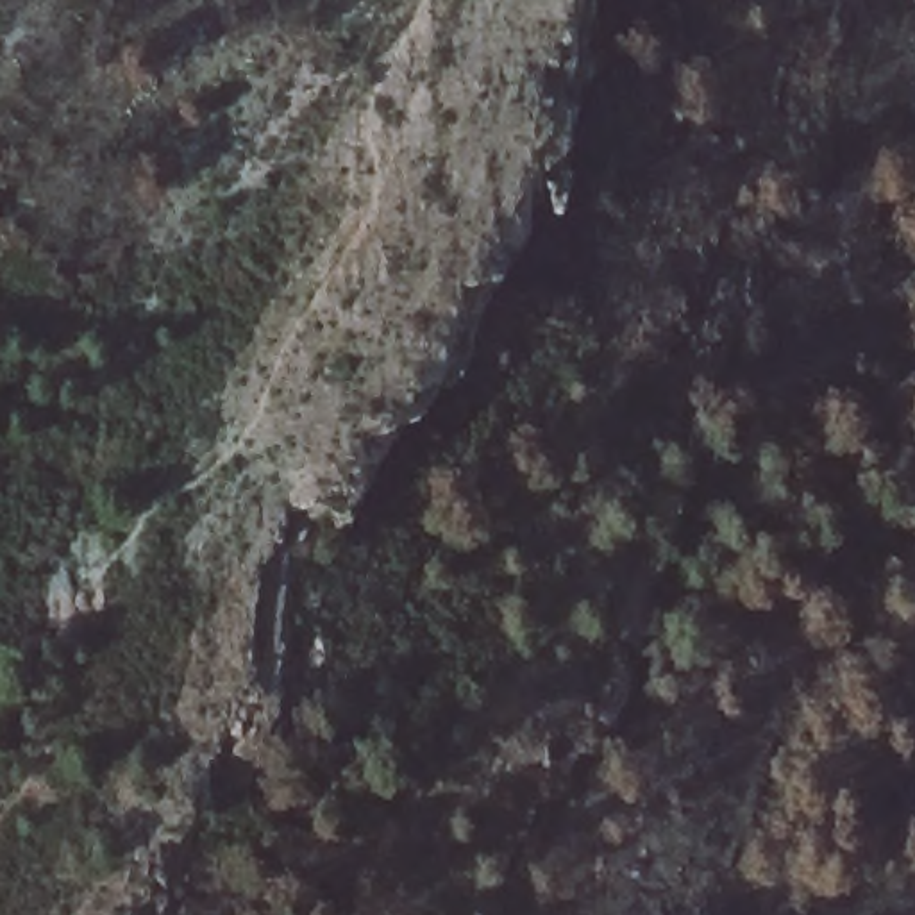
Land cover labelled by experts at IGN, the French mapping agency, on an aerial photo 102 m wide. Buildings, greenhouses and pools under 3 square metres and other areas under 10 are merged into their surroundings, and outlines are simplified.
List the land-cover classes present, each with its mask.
<instances>
[{"label":"bare soil","instance_id":"1","mask_svg":"<svg viewBox=\"0 0 915 915\"><path fill-rule=\"evenodd\" d=\"M454 43H468V54L465 61H454L443 71L440 82L443 104L458 111V122L432 125L429 89H415L404 79L407 71H425L432 61V18L425 0H0V189H14L25 207H36L57 229H71L79 207H97L93 232H111L114 218H136L139 225H147L150 243L157 250H186L193 239L222 243L236 236H254L257 214L279 211L290 272V282L272 297L268 311L261 315L250 350L239 354L236 365L225 372V429L218 443H186V454L197 461L193 479L186 486H204L197 500L200 518L186 536V568L193 572L197 586L218 593L214 618L193 622L182 697L175 708H161L164 722L186 726L189 747L179 761L164 768H143V758L129 751L122 768L111 772L118 786V804L125 811H157L161 818L150 840L125 854L122 872L93 879V886L79 897L75 915H243V894L218 886L211 872V858L204 854V829L211 811H257L268 801L261 790V768L243 758L257 743L275 747L279 740L286 743L290 768L300 772L304 790L325 797V815L340 833H347L350 861H382L400 869L404 890L393 901H386L375 915H865L858 904L833 908V901L822 894H815L804 908H793L790 883L754 886L751 879H743L740 840L747 833V822L768 797L779 793L772 783V754L779 743L790 740V718L801 715V704H808L811 693L826 683V668L836 665L829 647H818L808 636L804 622L793 629L779 618L761 622L747 633L740 654L733 658L729 679L733 697L740 704L733 718L722 715L718 697H654L640 676L629 679L625 658H611V676L604 679L593 704H586L583 697H561L540 704L536 711H529L515 736L500 740L497 758L479 751L450 765L447 776L432 786L397 772L390 733L372 736L357 718L332 704L311 708L304 701L300 708H293L272 693H261L254 683L250 636L257 611V565L279 543L286 511L300 508L311 518H332L336 525H343V543L386 547L390 525L425 518L432 500V468L450 472L454 490L468 508V529H486L525 490L575 486V458L597 454L600 472L633 468L640 479V490L622 504L625 518H654L679 550L697 554L701 540L715 529V508L722 504L711 493L693 490L690 483H676L672 475H665L661 458L654 454V440L676 443L679 436L697 432L690 393L701 372L733 379L736 386H754L758 393L751 418L786 429L804 393H818L822 400L829 397L826 379H833L844 368V357L854 343H886L890 304L904 297V286L894 282V250L904 243V236L894 222L890 200L872 197V172L883 154V143L908 154L915 150V0H468L461 7V29L454 32ZM436 154H447L450 189L461 197L458 214H443L440 204L425 200L422 193L425 175H432ZM400 232H411L415 247H429V268L422 275L390 272L386 247H393ZM347 329L357 332V354H343L347 368L361 372L365 390L372 393V415H361L365 432L354 440L350 422L340 418V386L311 379V357L318 350H340ZM147 533V522L143 515H136L122 547L104 550L97 533L75 536L71 554L61 558V568L50 575L46 590V608L54 622H68L75 611L104 608V575L111 565L125 561L129 572H139V540Z\"/></svg>","mask_w":915,"mask_h":915},{"label":"coniferous trees","instance_id":"2","mask_svg":"<svg viewBox=\"0 0 915 915\"><path fill-rule=\"evenodd\" d=\"M872 197L890 200L894 222L904 236V243L894 250V282L904 286V297L890 304L886 343H854L844 357V368L833 379H826L829 397L822 400L818 393H804L786 429L751 418L758 393L754 386H736L733 379L701 372L690 393L697 432L679 436L676 443L654 440V454L661 458L665 475H672L676 483H690L693 490L711 493L722 504L715 508V529L701 540L697 554L679 550L654 518H625L622 504L640 490V479L633 468L600 472L597 454L575 458V486L525 490L486 529H468V508L454 490L450 472L432 468V500L425 518L390 525L386 547L343 543V525H336L332 518H311L300 508L286 511L279 543L257 565V611L250 636L254 683L261 693H272L293 708H300L304 701L311 708L332 704L357 718L372 736L390 733L397 772L432 786L447 776L450 765L479 751L497 758L500 740L515 736L529 711H536L540 704L561 697H583L586 704H593L604 679L611 676V658H625L629 679L640 676L654 697H718L722 715L733 718L740 704L733 697L729 679L733 658L740 654L747 633L761 622L779 618L793 629L804 622L808 636L818 647H829L836 665L826 668V683L811 693L808 704H801V715L790 718V740L779 743L772 754V783L779 793L768 797L747 822V833L740 840L743 879H751L754 886L790 883L793 908H804L815 894H822L833 901V908L858 904L865 915H915V150L908 154L883 143V154L872 172ZM261 768V790L268 801L257 811H211L204 829V854L211 858V872L218 886L243 894V915H375L386 901H393L404 890L400 869L382 861H350L347 833H340L325 815V797L304 790L300 772L290 768L286 743L279 740L275 747L257 743L243 758Z\"/></svg>","mask_w":915,"mask_h":915},{"label":"brushwood","instance_id":"3","mask_svg":"<svg viewBox=\"0 0 915 915\"><path fill-rule=\"evenodd\" d=\"M97 207H79L71 229H57L36 207H25L14 189H0V915H75L79 897L93 886V879L122 872L125 854L150 840L161 818L157 811H125L118 804V786L111 772L122 768L129 751L143 758V768H164L179 761L189 747L186 726L164 722L161 708H175L182 697L193 622L214 618L218 593L197 586L193 572L186 568V536L200 518L197 500L204 486H186L193 479L197 461L186 454V443H218L225 429V372L236 365L239 354L250 350L261 315L268 311L272 297L290 282V272L279 211L257 214L254 236H236L222 243L193 239L186 250H157L150 243L147 225H139L136 218H114L111 232H93ZM136 515H143L147 522V533L139 540V572H129L125 561L111 565L104 575V608L75 611L68 622H54L46 608V590L50 575L61 568V558L71 554L75 536L97 533L104 550L122 547Z\"/></svg>","mask_w":915,"mask_h":915},{"label":"herbaceous vegetation","instance_id":"4","mask_svg":"<svg viewBox=\"0 0 915 915\"><path fill-rule=\"evenodd\" d=\"M432 18V61L425 71H407L404 79L415 89H429L432 125L458 122V111L443 104L440 82L443 71L454 61H465L468 54V43H454V32L461 29V7L468 0H425ZM422 193L425 200L440 204L443 214H458L461 197L450 189L447 154H436L432 175H425ZM390 272L422 275L429 268V247H415L411 232H400L393 247H386ZM343 354H357V332L347 329L340 350H318L311 357V379L340 386V418L350 422L354 440L365 432L361 415H372V393L365 390L361 372L347 368Z\"/></svg>","mask_w":915,"mask_h":915}]
</instances>
